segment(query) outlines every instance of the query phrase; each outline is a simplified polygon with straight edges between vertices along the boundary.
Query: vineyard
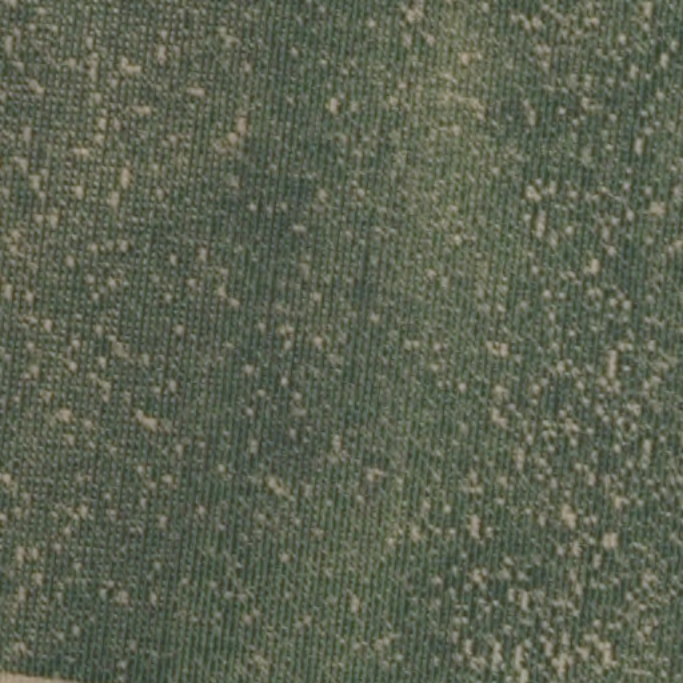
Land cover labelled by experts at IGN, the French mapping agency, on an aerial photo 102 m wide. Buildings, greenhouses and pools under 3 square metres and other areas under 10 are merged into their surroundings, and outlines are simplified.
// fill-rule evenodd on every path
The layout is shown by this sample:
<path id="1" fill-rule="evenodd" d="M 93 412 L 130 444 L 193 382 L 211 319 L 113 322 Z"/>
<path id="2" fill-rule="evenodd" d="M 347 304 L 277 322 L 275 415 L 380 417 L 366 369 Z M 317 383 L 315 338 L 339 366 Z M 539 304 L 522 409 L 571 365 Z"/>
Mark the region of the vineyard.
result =
<path id="1" fill-rule="evenodd" d="M 683 683 L 683 0 L 0 0 L 0 672 L 61 678 L 75 683 Z"/>

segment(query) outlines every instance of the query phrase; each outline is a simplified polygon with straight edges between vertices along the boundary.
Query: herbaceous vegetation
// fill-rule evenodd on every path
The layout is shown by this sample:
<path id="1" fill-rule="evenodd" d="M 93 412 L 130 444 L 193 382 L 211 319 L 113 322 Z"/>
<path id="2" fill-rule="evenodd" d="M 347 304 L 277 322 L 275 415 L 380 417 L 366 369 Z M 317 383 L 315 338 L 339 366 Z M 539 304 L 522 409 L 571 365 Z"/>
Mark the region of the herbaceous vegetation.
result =
<path id="1" fill-rule="evenodd" d="M 61 678 L 0 672 L 0 683 L 75 683 Z"/>

